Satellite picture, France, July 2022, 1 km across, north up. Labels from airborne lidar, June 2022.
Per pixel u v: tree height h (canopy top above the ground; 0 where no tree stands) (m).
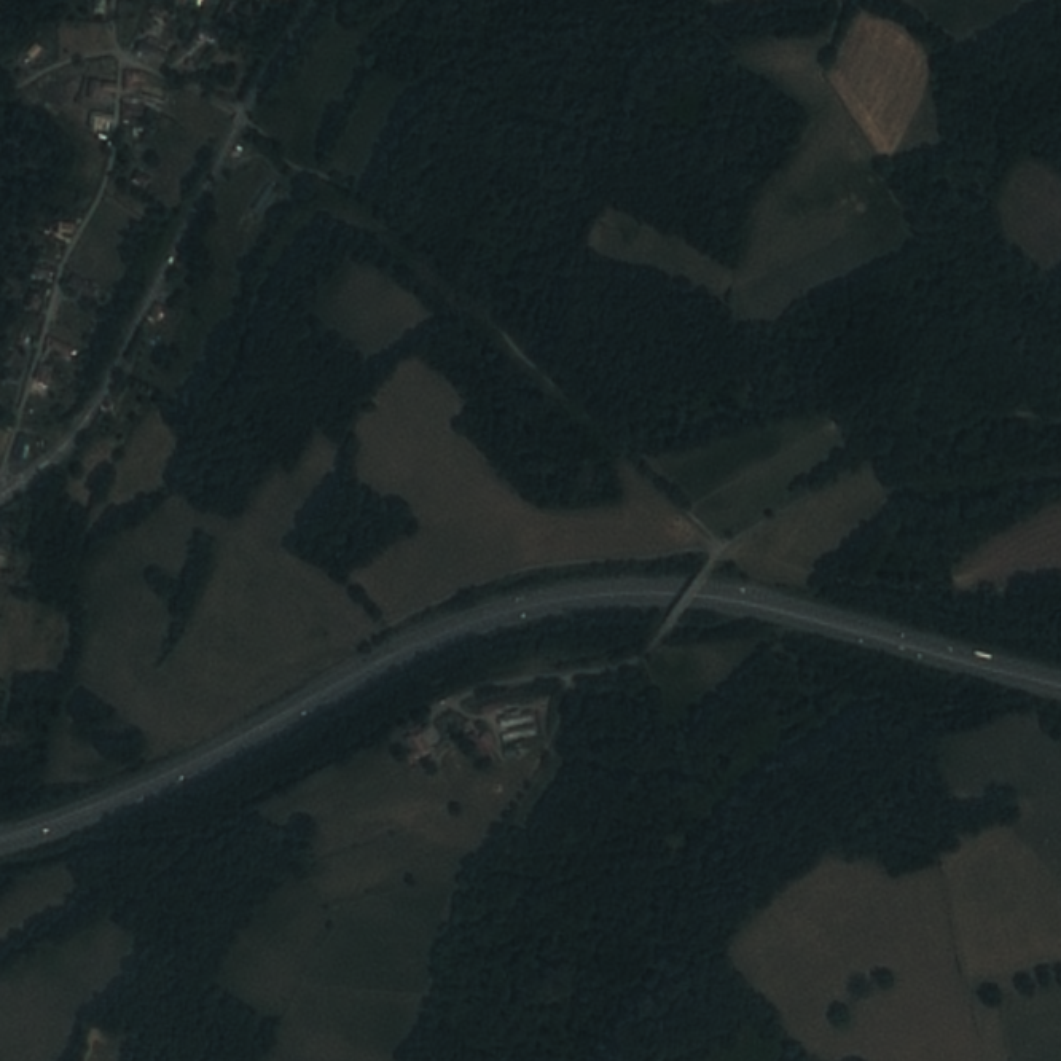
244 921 17
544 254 12
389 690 16
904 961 0
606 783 27
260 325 32
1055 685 0
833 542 0
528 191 14
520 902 19
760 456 0
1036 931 0
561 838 19
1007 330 23
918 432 26
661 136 16
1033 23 20
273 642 0
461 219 17
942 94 13
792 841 25
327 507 25
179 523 0
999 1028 0
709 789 23
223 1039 23
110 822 17
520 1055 28
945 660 0
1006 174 13
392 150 22
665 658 0
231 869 21
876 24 0
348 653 0
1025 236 0
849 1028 6
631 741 25
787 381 15
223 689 0
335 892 0
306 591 0
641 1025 35
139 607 0
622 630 18
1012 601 13
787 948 0
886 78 0
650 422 13
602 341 17
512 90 7
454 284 9
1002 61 23
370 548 23
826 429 0
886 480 24
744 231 9
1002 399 21
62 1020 0
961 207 33
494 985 25
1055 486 14
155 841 21
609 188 22
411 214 25
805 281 0
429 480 0
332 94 0
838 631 0
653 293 19
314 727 17
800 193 0
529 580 11
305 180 20
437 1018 12
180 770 0
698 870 17
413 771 0
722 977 29
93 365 14
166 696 0
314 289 19
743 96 17
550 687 11
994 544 0
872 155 0
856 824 22
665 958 31
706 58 19
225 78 14
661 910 23
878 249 0
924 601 18
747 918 21
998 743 0
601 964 18
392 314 0
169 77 15
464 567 0
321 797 0
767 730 0
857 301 17
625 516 0
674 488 15
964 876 0
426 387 0
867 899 0
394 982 0
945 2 0
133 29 0
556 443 9
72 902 12
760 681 25
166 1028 20
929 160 28
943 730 9
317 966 0
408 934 0
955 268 19
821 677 16
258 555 0
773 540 0
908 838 24
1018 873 0
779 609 0
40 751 10
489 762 10
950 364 25
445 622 0
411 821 0
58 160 26
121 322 20
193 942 23
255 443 18
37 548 14
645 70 18
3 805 14
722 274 0
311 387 19
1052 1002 0
